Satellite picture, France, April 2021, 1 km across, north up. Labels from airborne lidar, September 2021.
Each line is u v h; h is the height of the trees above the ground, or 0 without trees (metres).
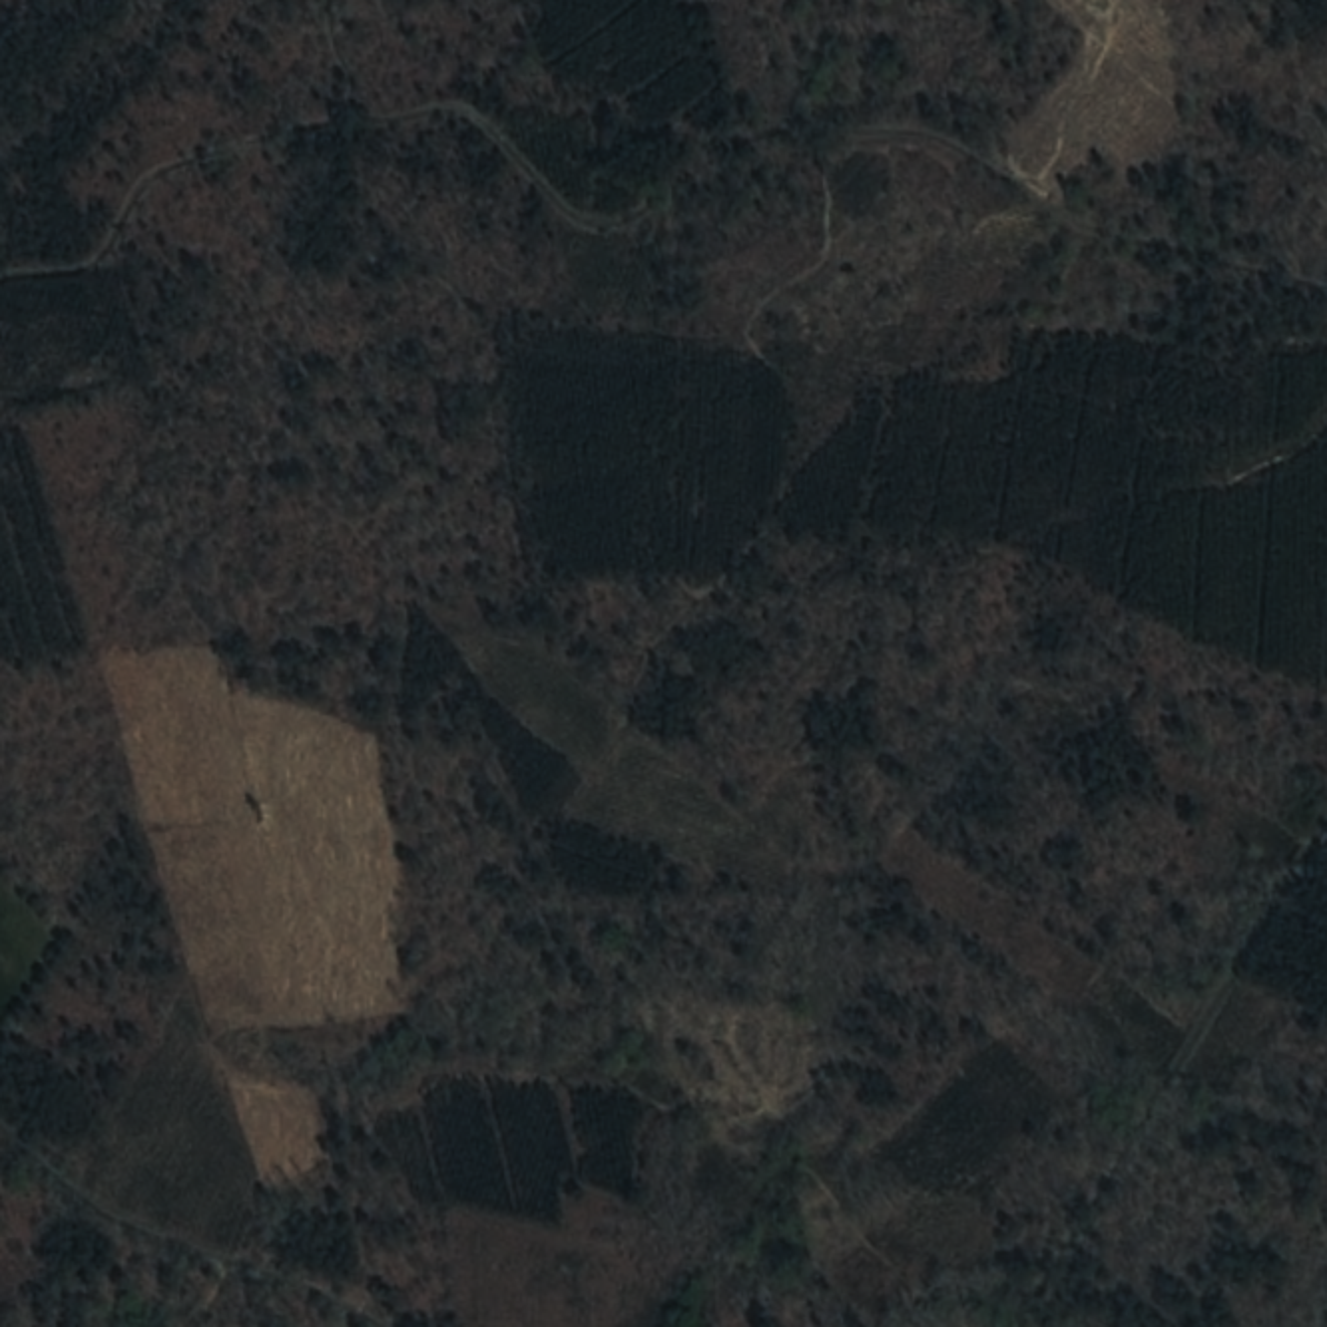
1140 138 0
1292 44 19
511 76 11
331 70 8
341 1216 18
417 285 11
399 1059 18
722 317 0
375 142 6
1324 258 14
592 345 7
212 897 0
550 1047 19
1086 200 16
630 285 6
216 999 0
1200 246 16
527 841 8
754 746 10
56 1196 15
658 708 16
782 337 24
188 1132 0
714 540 9
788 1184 8
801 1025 22
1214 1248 10
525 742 9
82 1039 7
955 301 0
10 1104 21
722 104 12
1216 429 15
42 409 11
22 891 8
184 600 10
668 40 12
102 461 7
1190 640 12
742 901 9
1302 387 11
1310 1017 19
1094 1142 16
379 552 13
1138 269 17
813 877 11
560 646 9
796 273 0
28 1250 7
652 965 10
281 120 6
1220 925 7
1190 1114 14
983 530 11
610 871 12
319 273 19
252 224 10
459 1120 9
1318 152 12
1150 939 19
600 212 10
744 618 11
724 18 8
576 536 12
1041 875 7
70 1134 21
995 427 10
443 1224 10
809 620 12
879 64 18
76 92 15
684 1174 13
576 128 9
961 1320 24
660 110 13
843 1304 14
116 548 10
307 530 11
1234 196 12
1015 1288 28
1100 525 9
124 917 15
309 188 12
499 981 14
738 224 15
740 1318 6
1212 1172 5
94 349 8
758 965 19
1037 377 12
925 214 12
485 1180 10
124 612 7
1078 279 6
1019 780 22
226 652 11
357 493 13
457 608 11
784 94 8
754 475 10
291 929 0
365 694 15
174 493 9
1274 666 13
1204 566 14
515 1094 10
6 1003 0
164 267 8
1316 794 7
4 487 18
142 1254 16
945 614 11
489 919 14
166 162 0
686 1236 15
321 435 22
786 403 9
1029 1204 10
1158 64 0
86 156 15
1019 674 12
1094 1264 13
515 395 12
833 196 0
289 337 7
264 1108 0
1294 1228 7
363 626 10
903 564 12
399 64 8
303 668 26
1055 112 0
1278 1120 14
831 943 16
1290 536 14
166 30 13
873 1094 13
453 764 11
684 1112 12
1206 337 17
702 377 8
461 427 25
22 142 9
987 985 15
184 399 7
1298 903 18
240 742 0
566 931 19
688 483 11
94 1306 17
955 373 7
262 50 26
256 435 10
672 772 0
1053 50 9
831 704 9
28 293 7
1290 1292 10
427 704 13
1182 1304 22
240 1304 6
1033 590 12
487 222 8
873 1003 15
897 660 13
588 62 11
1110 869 12
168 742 0
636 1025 11
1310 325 21
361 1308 0
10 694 7
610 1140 12
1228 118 12
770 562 7
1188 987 18
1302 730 7
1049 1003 19
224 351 8
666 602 17
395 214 9
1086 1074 16
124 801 9
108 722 13
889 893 9
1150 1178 14
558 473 10
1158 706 6
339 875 0
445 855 16
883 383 9
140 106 11
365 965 0
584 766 0
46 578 18
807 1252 20
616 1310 0
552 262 7
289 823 0
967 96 11
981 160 15
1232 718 6
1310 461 14
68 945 20
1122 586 7
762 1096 0
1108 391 13
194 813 0
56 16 28
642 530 12
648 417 12
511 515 9
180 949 10
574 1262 0
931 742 14
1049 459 13
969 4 9
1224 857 10
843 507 12
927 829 13
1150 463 12
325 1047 0
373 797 0
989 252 0
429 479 25
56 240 11
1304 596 12
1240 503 12
